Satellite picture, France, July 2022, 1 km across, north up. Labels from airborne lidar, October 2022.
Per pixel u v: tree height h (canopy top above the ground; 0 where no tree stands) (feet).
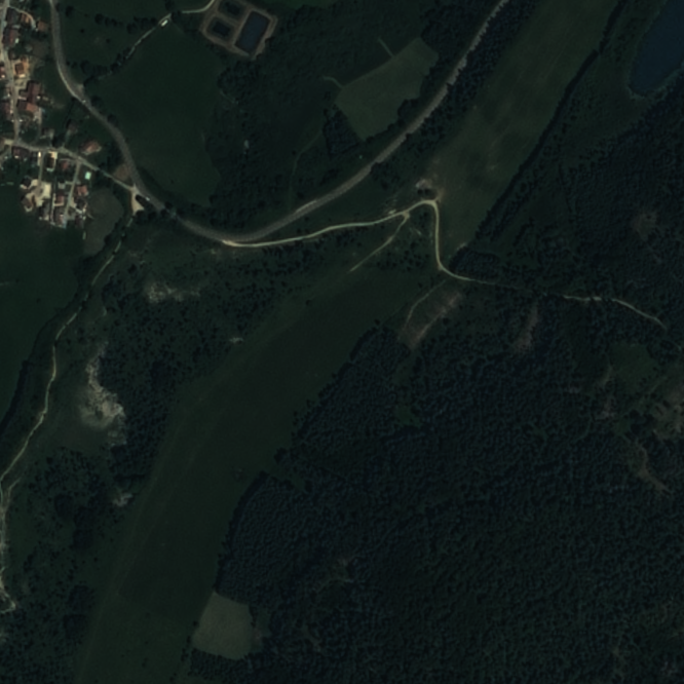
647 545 33
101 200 0
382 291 0
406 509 39
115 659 0
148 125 0
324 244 37
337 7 32
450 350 41
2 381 0
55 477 42
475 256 64
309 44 18
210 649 0
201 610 0
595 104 49
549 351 95
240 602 61
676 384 0
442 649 35
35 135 0
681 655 25
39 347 27
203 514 0
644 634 26
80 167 0
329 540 103
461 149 0
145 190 0
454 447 107
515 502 108
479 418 91
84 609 44
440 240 0
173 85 0
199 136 0
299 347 0
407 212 0
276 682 56
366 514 88
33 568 37
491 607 68
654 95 0
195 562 0
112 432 0
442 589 65
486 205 0
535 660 64
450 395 56
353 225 0
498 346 58
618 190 47
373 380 96
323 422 91
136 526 0
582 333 30
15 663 25
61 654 24
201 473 0
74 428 0
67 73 0
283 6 0
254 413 0
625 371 0
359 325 0
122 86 0
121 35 0
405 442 110
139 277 19
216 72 0
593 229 54
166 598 0
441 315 0
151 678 0
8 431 66
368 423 84
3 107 0
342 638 30
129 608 0
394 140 0
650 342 68
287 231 0
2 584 0
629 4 72
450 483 101
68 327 31
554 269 40
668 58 0
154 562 0
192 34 27
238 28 0
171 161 0
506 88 0
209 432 0
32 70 0
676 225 32
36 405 23
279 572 85
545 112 0
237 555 87
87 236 0
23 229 0
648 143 92
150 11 0
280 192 25
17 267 0
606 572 45
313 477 89
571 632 28
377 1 23
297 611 85
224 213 20
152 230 0
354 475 32
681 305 79
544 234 36
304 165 22
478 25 76
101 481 43
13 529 0
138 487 40
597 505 79
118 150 23
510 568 23
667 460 82
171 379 55
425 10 23
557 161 46
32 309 0
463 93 72
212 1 0
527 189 59
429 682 75
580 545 76
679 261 48
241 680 23
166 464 0
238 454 0
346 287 0
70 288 0
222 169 21
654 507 85
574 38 0
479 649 75
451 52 56
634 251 38
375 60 0
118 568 0
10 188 0
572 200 30
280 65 22
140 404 32
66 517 44
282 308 0
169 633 0
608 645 99
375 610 98
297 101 22
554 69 0
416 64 0
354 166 0
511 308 33
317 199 0
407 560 79
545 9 0
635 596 50
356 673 53
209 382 0
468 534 100
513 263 23
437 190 0
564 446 71
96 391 0
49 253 0
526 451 90
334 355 0
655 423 95
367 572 110
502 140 0
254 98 18
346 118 55
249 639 0
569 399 46
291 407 0
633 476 98
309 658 62
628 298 69
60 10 47
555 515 72
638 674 28
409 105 43
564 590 66
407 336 0
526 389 78
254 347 0
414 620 65
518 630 82
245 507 86
